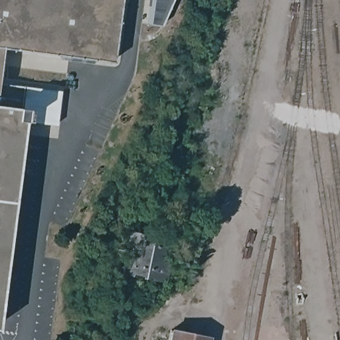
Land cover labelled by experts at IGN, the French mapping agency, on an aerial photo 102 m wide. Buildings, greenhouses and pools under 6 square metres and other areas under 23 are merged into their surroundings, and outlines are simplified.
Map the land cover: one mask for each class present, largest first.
<instances>
[{"label":"pervious surface","instance_id":"1","mask_svg":"<svg viewBox=\"0 0 340 340\"><path fill-rule=\"evenodd\" d=\"M220 19L227 20L226 28L216 33L219 46L215 56L219 58L211 64V77L197 85L201 90L220 89L222 98V106L212 110L211 120L203 124L202 133H209L205 139L207 153L223 158L222 170L215 182V189L218 191L214 193L212 197H206L203 203L211 207L219 210L224 223L214 239L209 238L205 243H199L202 254L198 258L197 274L189 280L187 286L191 290L170 297L165 307L159 309L150 319L143 321L138 332V340H169L170 332L178 331L177 325L186 317H212L223 325L222 340H340V0H231L230 7L219 11Z\"/></svg>","mask_w":340,"mask_h":340},{"label":"deciduous trees","instance_id":"2","mask_svg":"<svg viewBox=\"0 0 340 340\"><path fill-rule=\"evenodd\" d=\"M231 0H187L183 5L182 23L174 35L159 36L150 40V50L142 52L137 57L135 68L137 73L139 70H145L147 80L143 82V90L139 94L141 108L138 110L137 121L131 127L120 158L113 167L112 177L105 183L104 189L98 195V201L93 203V215L88 226L80 224V231L74 239L66 238L60 231L54 239L58 246L69 247L74 251V262L70 264L61 286L58 287L64 296L62 313L66 319V332H69L70 340H138V332L143 321L150 319L159 309L165 307L170 297L191 290L187 286L189 280L197 274L198 258L202 254L199 243H205L209 238L214 239L224 223L219 210L211 207L209 211L198 210L191 214L190 218H185L182 205L187 199L198 198V202L203 203L206 197H212L214 193L203 189L202 185L198 191L186 189V183L194 177L199 182L202 181L205 171L201 167L206 166L203 154L207 153L205 139L209 133H202L203 124L211 120L212 110L222 106V98L220 89L201 90L197 85L211 77V64L219 58L215 56L219 46L216 33L226 28L227 20L220 19L219 11L230 7ZM181 114H187L189 117L186 131L183 133V145L190 150L187 159L191 162V169L179 173L178 167L171 162L170 153L177 138L174 122ZM134 232H141L143 236H147V240L154 244L155 248H165L169 276L163 286L138 282L134 287V294L125 301L122 286L126 284L125 270L130 268L134 259L127 258L125 252L118 250L124 248L125 239Z\"/></svg>","mask_w":340,"mask_h":340},{"label":"impervious surface","instance_id":"3","mask_svg":"<svg viewBox=\"0 0 340 340\"><path fill-rule=\"evenodd\" d=\"M155 13L150 11V0H126L120 48L121 62L118 66H88L80 64V60L68 62L56 54L28 50H24L23 53L13 50L7 52L3 81L5 86L32 92H41L42 89L56 90L57 100L46 108L45 124H33L31 127L7 321L0 328V340H50L58 287L60 260L45 256L49 224H58L62 228L70 224V216L81 197L82 190L85 189L84 182L88 179L94 163L98 161L102 143L133 80L135 68L137 57L139 37L145 39L147 35L158 31L159 25L154 23ZM178 331L211 336L214 340H222L223 325L212 317H186L177 325Z\"/></svg>","mask_w":340,"mask_h":340},{"label":"building","instance_id":"4","mask_svg":"<svg viewBox=\"0 0 340 340\"><path fill-rule=\"evenodd\" d=\"M126 0H0V328L7 321L31 127L33 124H45L46 108L57 100L56 90L42 89L41 92H32L5 86L3 81L7 52L13 50L23 53L24 50H28L56 54L68 62L80 60V64L88 66H118L121 62L120 48ZM177 0H150V11L155 13L154 23L159 25L167 27ZM124 248L118 250L125 252L127 258L134 259L130 268L131 274L138 282L163 286L169 276L165 248H155L154 244L147 240V236H143L141 232H134L125 239ZM169 340H214L211 336L178 331L170 332Z\"/></svg>","mask_w":340,"mask_h":340},{"label":"herbaceous vegetation","instance_id":"5","mask_svg":"<svg viewBox=\"0 0 340 340\"><path fill-rule=\"evenodd\" d=\"M187 0H177L167 27L159 25L158 31L147 35L145 39L139 37L137 57L142 52L150 50V40L159 36L174 35L182 23L183 5ZM147 80L145 70H139L137 73L135 68L133 80L102 143L98 161L94 163L88 179L84 182L85 189L82 190L81 197L70 216V224L62 228L58 224H49L45 256L60 260L58 287L61 286L70 264L74 262V251L69 247L58 246L54 239L60 231L66 238L74 239L80 231V224L88 226L93 215V203L98 201V195L104 189L105 183L112 177L113 167L120 158L131 127L137 121L138 110L141 108L139 94L143 90V82ZM189 117L187 114H181L174 122L177 138L170 153L171 162L178 167L179 173L191 169V162L187 159L190 150L183 145V133L186 131ZM206 166L201 167L205 171L202 181L199 182L194 177L186 183V189L198 191L202 185L203 189L214 193L218 191L215 189V182L222 170L223 158L207 153L203 154ZM185 218H190L191 214L198 210L209 211L211 207L203 203L198 202V198L187 199L182 205ZM126 284L122 286L125 301L134 294V287L138 282L131 274L130 268L125 270ZM64 296L58 287L50 340H70L69 332H66V319L62 313Z\"/></svg>","mask_w":340,"mask_h":340}]
</instances>
